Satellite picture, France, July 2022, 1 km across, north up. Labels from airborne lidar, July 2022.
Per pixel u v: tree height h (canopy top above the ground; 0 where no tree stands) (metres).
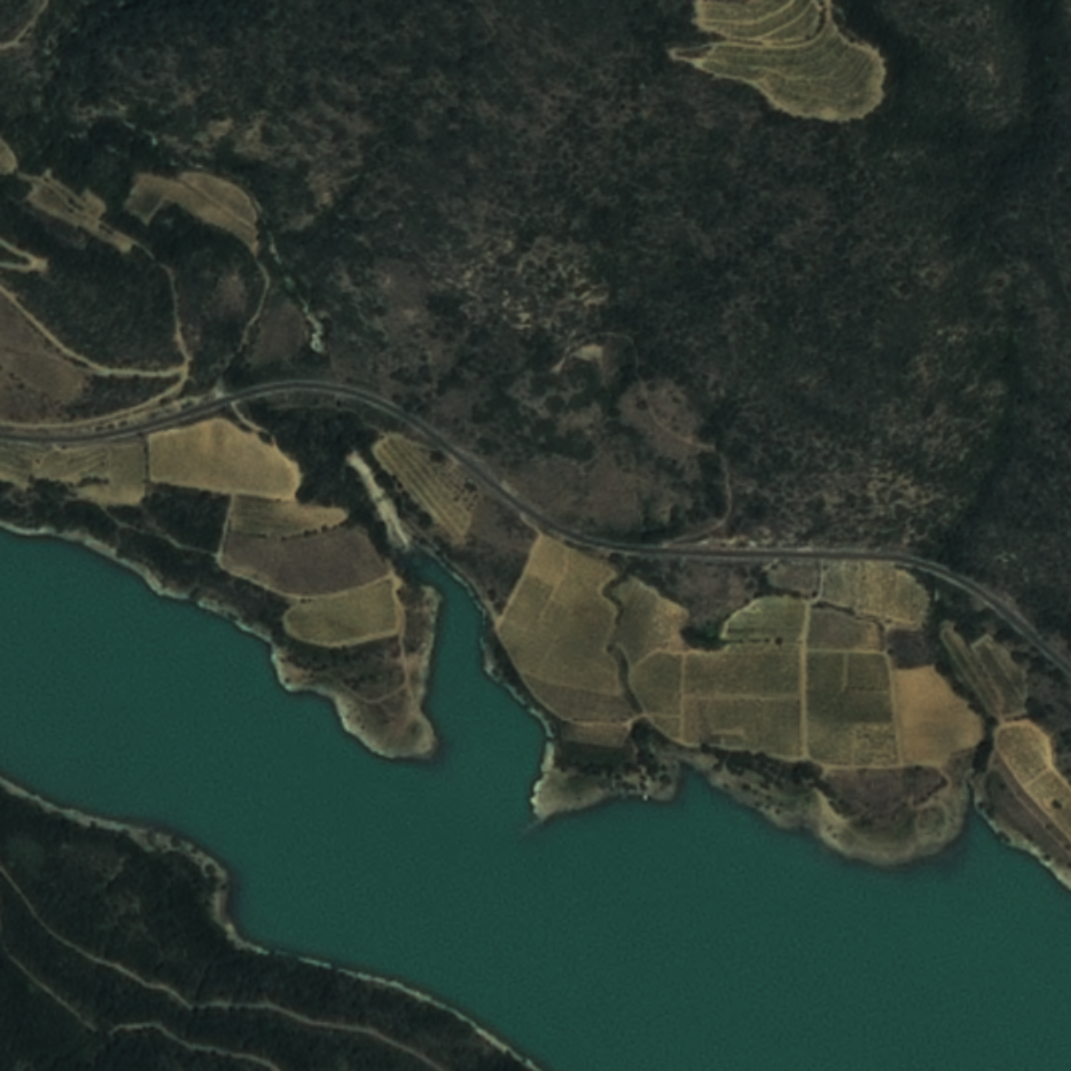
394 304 0
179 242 6
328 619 0
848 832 0
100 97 8
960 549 5
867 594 0
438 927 0
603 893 0
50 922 8
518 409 0
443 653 0
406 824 0
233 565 0
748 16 0
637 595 0
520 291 0
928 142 6
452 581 0
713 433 6
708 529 0
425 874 0
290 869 0
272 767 0
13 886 6
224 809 0
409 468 0
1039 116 10
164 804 0
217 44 7
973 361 6
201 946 6
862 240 6
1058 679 7
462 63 6
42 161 5
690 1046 0
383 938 0
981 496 7
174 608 0
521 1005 0
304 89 7
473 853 0
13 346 0
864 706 0
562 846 0
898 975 0
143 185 0
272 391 0
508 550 0
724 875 0
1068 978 0
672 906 0
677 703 0
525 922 0
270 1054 7
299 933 0
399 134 6
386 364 0
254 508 0
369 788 0
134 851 7
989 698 0
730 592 0
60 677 0
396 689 0
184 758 0
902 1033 0
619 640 0
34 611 0
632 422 0
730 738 0
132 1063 9
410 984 0
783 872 0
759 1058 0
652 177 7
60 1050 10
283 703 0
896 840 0
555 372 0
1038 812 0
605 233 6
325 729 0
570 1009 0
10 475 0
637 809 0
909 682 0
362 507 7
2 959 8
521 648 0
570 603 0
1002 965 0
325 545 0
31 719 0
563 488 0
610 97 6
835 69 0
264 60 8
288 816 0
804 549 0
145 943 6
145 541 7
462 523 0
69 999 7
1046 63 9
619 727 0
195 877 8
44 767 0
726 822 0
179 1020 7
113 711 0
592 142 5
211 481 0
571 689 0
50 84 6
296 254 0
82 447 0
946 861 0
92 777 0
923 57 7
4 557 0
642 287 6
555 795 0
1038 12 8
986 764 12
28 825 9
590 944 0
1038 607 6
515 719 0
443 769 0
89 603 0
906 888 0
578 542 0
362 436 10
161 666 0
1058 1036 0
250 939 0
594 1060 0
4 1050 8
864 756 0
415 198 0
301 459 7
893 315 0
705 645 6
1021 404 7
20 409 0
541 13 0
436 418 0
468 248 0
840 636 0
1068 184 6
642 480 0
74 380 0
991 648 0
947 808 0
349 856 0
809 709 0
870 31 7
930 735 0
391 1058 6
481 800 0
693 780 0
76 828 8
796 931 0
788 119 8
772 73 0
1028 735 0
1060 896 0
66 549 0
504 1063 6
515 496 0
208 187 0
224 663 0
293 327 0
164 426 0
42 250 8
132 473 0
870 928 0
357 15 6
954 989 0
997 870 0
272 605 7
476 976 0
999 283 7
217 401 0
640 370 7
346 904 0
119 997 7
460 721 0
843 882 0
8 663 0
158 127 6
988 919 0
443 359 0
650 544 7
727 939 0
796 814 0
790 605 0
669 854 0
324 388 0
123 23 7
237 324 8
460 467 0
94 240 7
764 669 0
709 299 6
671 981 0
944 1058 0
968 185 7
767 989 0
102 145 7
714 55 0
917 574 10
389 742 0
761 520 7
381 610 0
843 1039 0
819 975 0
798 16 0
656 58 6
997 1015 0
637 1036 0
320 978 7
